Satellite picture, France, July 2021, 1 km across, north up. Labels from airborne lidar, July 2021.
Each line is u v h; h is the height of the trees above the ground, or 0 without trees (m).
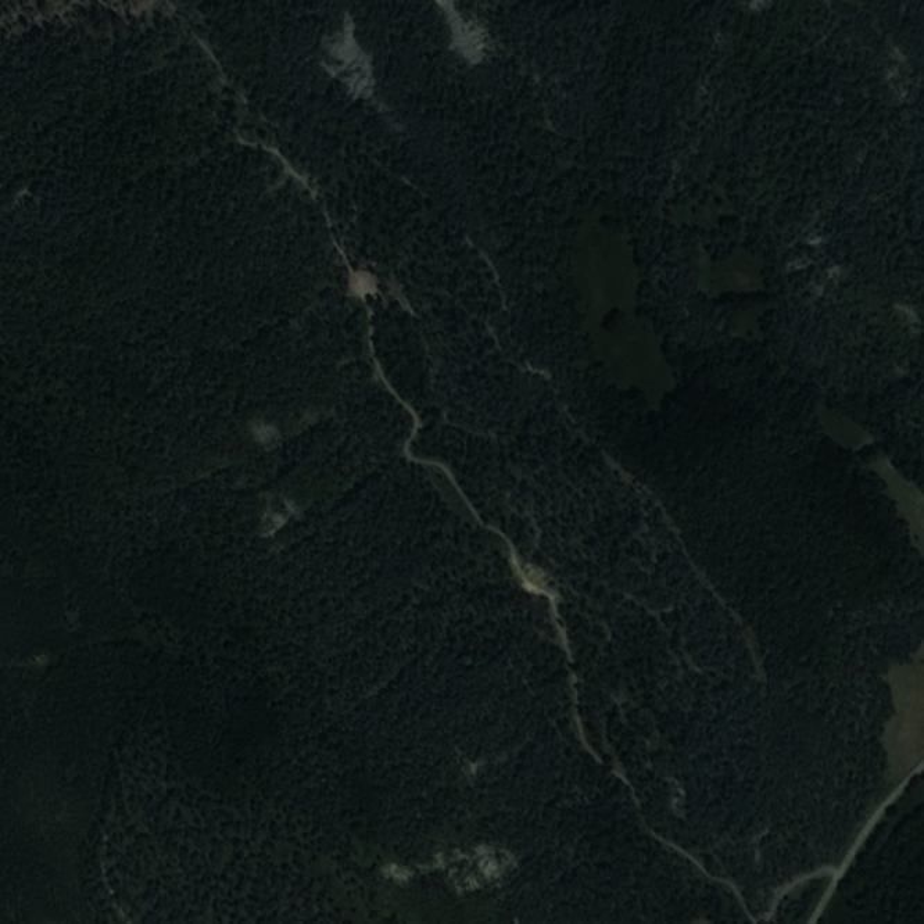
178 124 13
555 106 12
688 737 17
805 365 20
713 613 11
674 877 11
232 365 14
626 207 12
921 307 12
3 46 14
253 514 14
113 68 13
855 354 12
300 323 6
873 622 12
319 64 7
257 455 11
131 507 14
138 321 12
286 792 11
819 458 18
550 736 17
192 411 11
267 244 9
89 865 6
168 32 10
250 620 11
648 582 12
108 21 23
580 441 10
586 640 19
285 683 19
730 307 21
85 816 7
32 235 11
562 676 14
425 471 15
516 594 14
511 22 16
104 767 7
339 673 7
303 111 17
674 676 14
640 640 15
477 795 7
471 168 18
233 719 20
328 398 11
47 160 6
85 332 14
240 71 8
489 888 6
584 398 16
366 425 16
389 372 12
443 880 6
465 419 16
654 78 23
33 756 6
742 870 8
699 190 17
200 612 26
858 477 25
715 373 21
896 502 10
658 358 0
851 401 19
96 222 8
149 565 10
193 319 16
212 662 11
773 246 14
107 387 10
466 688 14
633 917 17
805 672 12
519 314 20
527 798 14
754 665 13
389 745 13
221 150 24
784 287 10
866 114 18
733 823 15
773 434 10
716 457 16
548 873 8
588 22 20
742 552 20
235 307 15
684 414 31
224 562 16
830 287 10
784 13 10
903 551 16
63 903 7
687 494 17
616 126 18
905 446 20
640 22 21
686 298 16
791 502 18
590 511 17
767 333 18
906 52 8
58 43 14
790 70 7
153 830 12
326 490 10
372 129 14
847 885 18
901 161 12
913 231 11
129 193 13
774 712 10
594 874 14
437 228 19
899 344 9
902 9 12
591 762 16
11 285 16
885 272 19
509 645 19
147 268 13
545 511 13
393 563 18
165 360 14
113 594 10
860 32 14
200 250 14
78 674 7
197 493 14
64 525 12
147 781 10
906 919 10
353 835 15
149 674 14
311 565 7
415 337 12
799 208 10
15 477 9
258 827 11
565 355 17
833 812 10
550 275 16
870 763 14
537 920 9
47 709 6
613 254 0
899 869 13
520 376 13
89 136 23
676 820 14
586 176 21
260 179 9
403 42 18
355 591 15
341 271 10
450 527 17
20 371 12
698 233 18
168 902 11
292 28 17
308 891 12
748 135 12
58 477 16
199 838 15
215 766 9
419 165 15
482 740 8
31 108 20
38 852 7
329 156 16
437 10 9
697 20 18
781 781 12
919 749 0
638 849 16
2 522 10
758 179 9
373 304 12
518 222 17
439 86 19
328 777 13
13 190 17
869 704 7
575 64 24
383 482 18
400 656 13
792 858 11
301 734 12
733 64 11
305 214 16
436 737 11
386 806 15
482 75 17
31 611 10
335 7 6
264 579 13
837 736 16
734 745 15
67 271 10
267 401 13
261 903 8
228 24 10
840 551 21
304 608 15
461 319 21
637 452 20
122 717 6
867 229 12
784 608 17
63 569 9
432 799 8
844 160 11
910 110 8
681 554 12
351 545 12
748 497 20
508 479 16
